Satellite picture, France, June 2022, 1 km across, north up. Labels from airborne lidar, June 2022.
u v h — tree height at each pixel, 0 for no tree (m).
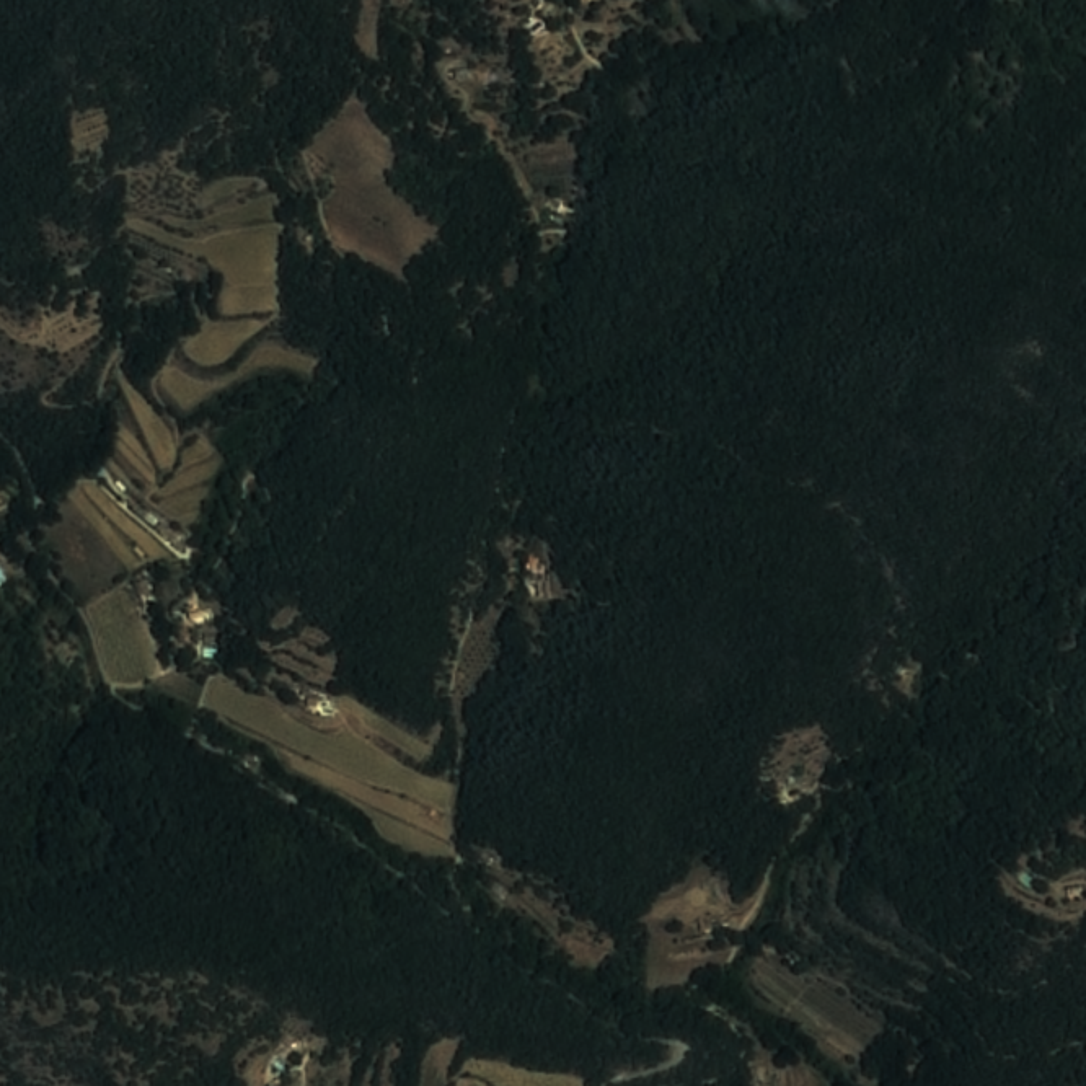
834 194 9
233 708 0
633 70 13
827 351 8
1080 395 9
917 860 13
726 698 9
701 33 9
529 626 8
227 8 12
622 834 6
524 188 10
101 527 0
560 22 13
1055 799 10
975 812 13
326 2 10
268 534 10
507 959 14
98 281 13
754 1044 14
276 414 7
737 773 9
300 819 15
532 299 13
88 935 7
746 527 9
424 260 16
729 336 10
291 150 11
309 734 0
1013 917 15
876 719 13
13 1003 8
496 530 12
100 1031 8
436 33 15
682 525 9
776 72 13
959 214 7
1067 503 9
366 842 10
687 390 12
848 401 12
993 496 10
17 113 8
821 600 7
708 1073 9
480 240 15
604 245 13
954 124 16
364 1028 7
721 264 12
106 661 0
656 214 8
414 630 12
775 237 12
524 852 16
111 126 10
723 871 11
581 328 12
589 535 12
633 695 7
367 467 10
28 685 6
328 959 10
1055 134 10
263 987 8
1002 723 9
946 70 18
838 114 7
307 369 0
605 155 9
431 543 7
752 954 11
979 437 9
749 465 11
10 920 14
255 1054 8
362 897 14
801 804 10
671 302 8
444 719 10
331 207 0
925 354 6
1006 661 16
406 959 7
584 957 0
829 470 8
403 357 10
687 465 8
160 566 12
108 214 10
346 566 11
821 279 6
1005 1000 10
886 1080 10
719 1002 10
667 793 10
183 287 9
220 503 9
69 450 13
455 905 13
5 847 11
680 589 12
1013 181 11
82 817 18
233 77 10
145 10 10
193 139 6
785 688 9
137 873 13
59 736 14
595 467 15
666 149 13
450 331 14
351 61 6
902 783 10
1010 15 11
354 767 0
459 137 12
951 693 13
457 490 7
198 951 9
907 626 10
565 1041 6
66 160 6
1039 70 7
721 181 10
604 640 12
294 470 15
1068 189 11
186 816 12
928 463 7
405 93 10
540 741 6
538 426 16
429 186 11
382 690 10
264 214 0
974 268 8
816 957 11
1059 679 9
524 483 15
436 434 11
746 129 11
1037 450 9
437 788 0
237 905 7
